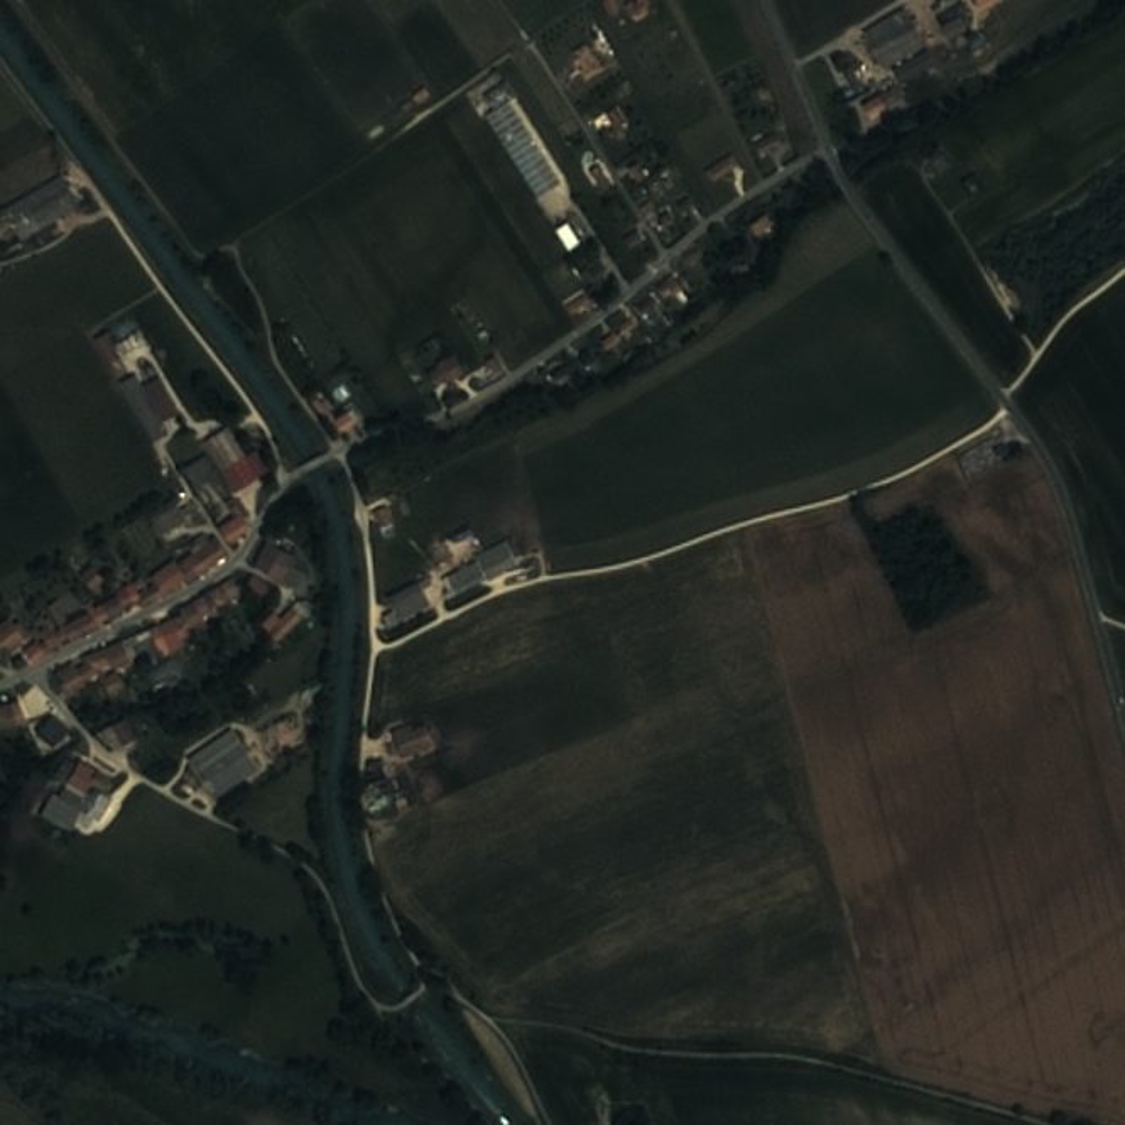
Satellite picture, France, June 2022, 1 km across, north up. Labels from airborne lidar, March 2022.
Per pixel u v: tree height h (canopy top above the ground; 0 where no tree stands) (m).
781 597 0
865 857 0
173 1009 0
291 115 0
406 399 0
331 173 0
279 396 0
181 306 0
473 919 0
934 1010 0
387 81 0
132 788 0
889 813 0
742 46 0
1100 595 0
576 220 0
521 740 0
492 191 0
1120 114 0
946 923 0
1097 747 0
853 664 0
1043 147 0
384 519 0
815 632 0
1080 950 0
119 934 0
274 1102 13
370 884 18
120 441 0
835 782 0
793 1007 0
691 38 0
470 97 0
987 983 0
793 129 0
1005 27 0
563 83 0
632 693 0
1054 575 0
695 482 0
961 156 0
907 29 0
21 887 0
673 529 0
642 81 0
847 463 0
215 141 0
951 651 0
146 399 0
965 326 0
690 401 0
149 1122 0
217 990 0
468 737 0
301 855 14
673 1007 0
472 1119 16
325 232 0
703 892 0
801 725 0
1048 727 0
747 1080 0
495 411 8
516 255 0
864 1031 0
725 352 0
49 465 0
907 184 0
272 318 0
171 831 0
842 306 0
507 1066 0
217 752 0
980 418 0
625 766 0
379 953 0
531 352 0
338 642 0
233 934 14
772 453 0
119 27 0
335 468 0
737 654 0
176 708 17
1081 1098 0
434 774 0
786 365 0
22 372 0
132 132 0
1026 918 0
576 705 0
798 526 0
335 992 0
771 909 0
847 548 0
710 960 0
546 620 0
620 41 0
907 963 0
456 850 0
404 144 0
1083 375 0
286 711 0
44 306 0
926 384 0
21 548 0
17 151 0
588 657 0
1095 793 0
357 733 9
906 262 0
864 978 0
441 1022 0
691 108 0
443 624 0
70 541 0
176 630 0
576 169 0
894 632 0
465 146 0
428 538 0
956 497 0
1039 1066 0
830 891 0
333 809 0
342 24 0
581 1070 0
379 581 0
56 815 0
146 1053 19
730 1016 0
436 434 12
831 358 0
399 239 0
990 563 0
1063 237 6
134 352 0
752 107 0
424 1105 0
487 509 0
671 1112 0
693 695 0
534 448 0
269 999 0
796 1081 0
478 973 0
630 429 0
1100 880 0
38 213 0
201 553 0
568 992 0
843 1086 0
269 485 14
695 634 0
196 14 0
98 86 0
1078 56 0
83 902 0
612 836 0
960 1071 0
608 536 0
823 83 0
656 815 0
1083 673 0
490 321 0
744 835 0
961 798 0
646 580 0
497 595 0
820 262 0
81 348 0
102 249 0
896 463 0
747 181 0
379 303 0
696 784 0
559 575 0
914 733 0
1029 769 0
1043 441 0
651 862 0
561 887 0
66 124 0
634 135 0
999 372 0
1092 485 0
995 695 0
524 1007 0
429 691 0
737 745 0
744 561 0
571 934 0
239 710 11
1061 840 0
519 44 0
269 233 0
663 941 0
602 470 0
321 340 0
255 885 0
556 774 0
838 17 0
